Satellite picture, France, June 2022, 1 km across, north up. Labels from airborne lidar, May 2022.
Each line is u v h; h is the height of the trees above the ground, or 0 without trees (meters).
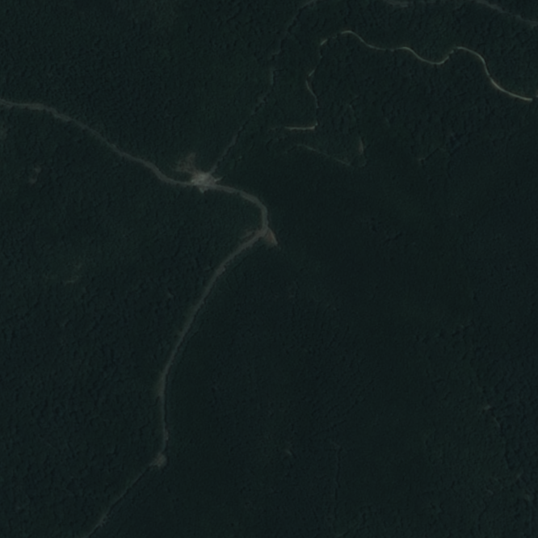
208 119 11
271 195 16
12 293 7
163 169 8
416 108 24
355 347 15
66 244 11
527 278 22
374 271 19
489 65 6
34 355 23
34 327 25
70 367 18
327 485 11
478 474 21
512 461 31
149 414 17
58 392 28
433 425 13
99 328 29
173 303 22
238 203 10
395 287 20
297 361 22
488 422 31
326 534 16
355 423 14
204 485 21
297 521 19
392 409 13
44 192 15
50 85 19
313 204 21
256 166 16
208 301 11
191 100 17
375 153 19
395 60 12
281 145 13
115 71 19
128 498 17
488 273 22
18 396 18
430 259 21
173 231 18
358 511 10
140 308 18
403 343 27
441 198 21
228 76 14
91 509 24
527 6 26
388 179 20
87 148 23
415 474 21
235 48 21
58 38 15
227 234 14
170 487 16
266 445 18
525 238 20
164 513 14
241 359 18
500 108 12
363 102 19
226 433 20
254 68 15
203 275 17
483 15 17
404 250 21
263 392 16
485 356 28
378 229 29
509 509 26
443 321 24
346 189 21
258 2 21
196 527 16
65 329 11
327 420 20
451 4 20
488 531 24
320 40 11
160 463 0
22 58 19
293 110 11
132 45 16
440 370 28
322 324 14
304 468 16
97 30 14
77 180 14
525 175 29
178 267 24
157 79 17
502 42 22
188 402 18
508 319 20
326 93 25
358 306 18
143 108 20
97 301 29
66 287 8
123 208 13
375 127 22
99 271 13
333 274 17
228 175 8
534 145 17
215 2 26
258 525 21
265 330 15
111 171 16
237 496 23
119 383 27
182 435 17
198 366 20
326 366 21
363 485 13
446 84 20
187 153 6
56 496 24
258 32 20
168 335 15
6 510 24
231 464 19
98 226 16
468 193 18
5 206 13
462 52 19
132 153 9
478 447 27
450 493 20
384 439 15
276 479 23
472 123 27
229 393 18
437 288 22
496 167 18
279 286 17
